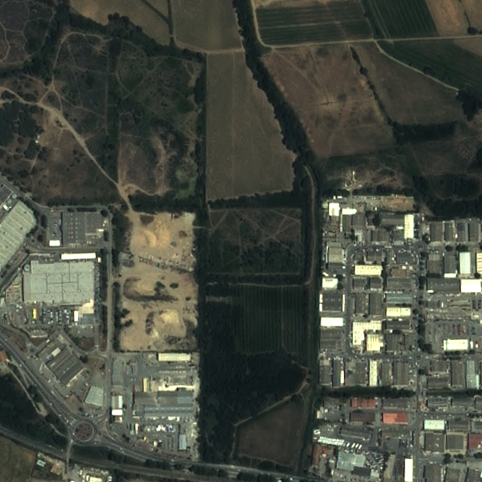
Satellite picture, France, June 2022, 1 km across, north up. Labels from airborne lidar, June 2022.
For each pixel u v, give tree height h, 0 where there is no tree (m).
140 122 8
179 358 0
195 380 0
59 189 0
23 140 8
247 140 0
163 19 0
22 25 0
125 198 0
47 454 7
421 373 13
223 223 0
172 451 0
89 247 0
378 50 0
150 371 0
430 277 10
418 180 14
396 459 0
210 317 13
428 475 0
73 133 0
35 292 0
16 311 0
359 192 12
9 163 7
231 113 0
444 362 0
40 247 0
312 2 0
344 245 0
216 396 8
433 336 0
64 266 0
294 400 10
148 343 0
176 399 0
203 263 12
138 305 0
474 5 0
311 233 7
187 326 0
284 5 0
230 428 12
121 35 9
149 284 0
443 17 0
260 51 6
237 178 0
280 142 0
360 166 0
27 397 8
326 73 0
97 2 0
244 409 13
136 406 0
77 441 0
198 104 8
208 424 6
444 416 0
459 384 0
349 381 0
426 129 16
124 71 0
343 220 0
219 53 0
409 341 0
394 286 0
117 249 5
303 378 9
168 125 7
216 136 0
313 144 0
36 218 10
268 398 7
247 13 11
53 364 0
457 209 11
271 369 10
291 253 11
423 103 0
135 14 0
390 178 0
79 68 0
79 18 10
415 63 7
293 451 0
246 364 9
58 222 0
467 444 0
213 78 0
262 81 6
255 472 0
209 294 14
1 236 0
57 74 10
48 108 0
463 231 0
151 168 0
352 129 0
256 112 0
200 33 0
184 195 0
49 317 0
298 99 0
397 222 0
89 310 0
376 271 0
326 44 0
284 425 0
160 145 0
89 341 0
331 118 0
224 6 0
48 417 12
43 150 9
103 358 0
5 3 0
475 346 0
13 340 0
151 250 0
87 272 0
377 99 7
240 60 0
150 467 20
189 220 0
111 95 9
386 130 0
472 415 11
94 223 0
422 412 0
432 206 14
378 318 0
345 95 0
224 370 10
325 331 0
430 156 0
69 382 0
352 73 0
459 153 0
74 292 0
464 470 0
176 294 0
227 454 15
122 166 0
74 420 0
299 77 0
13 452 0
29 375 0
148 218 0
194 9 0
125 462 8
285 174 0
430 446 0
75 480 0
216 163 0
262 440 0
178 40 0
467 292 0
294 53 0
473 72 0
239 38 0
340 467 0
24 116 11
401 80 0
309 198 11
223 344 10
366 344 0
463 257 0
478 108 9
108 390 0
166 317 0
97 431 0
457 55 0
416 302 0
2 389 8
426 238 10
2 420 13
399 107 0
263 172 0
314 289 0
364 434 0
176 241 0
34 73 7
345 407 0
